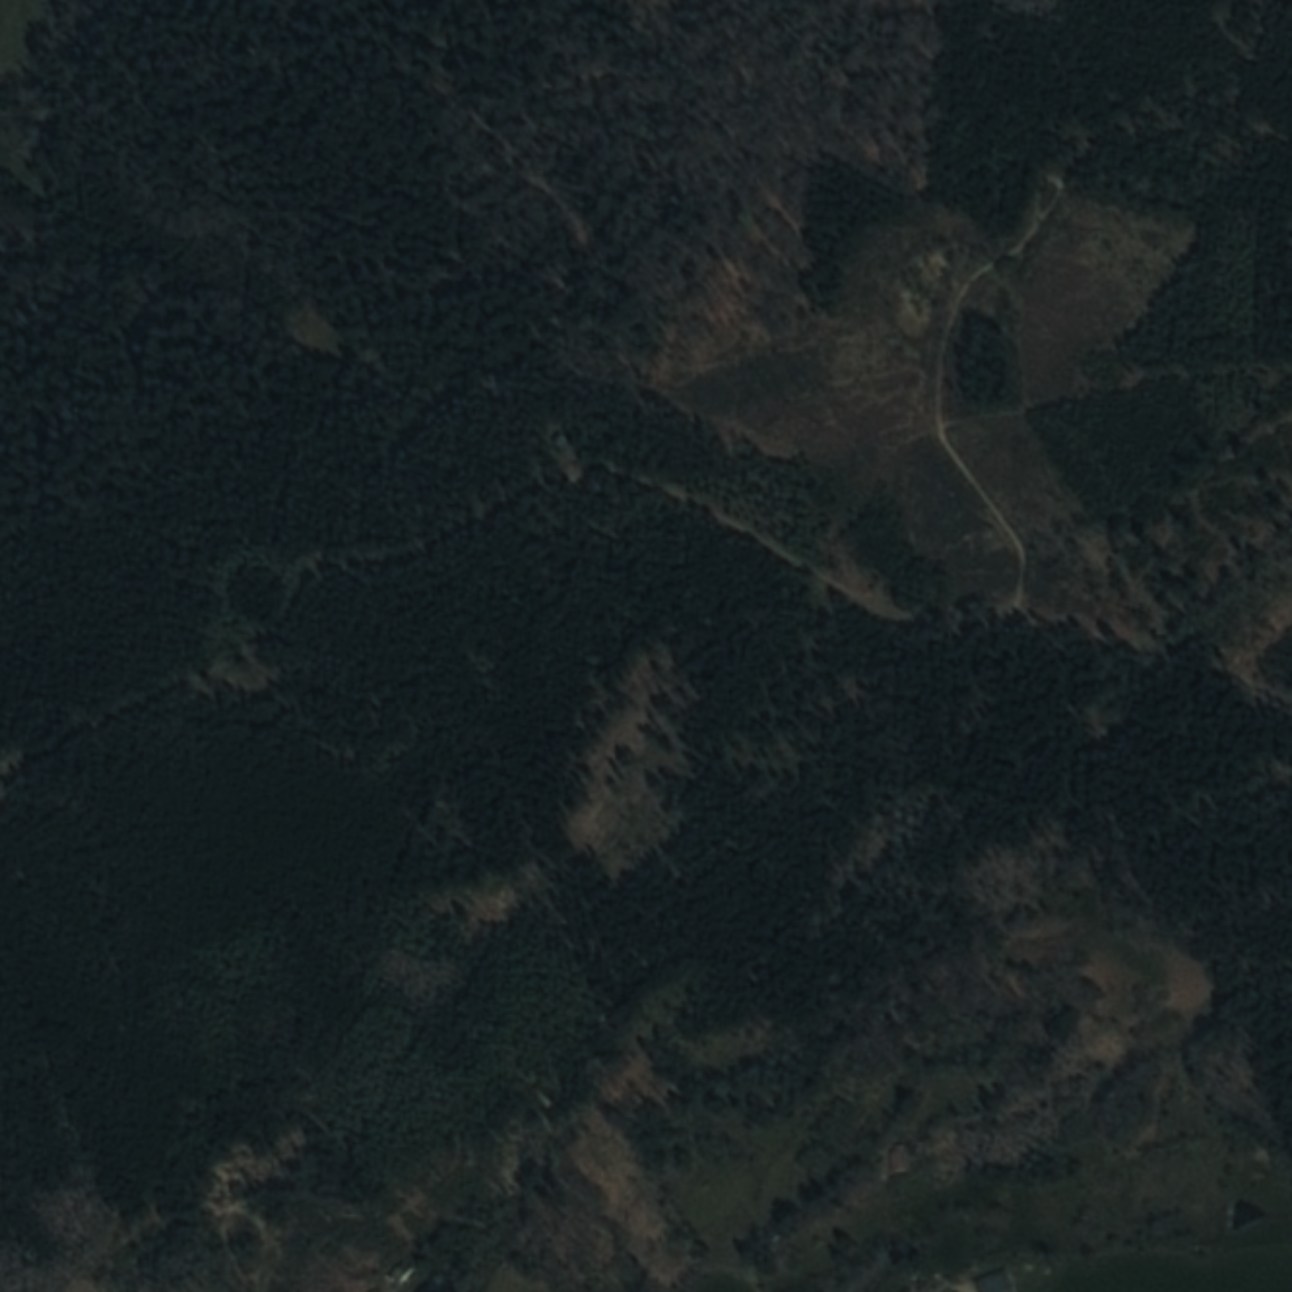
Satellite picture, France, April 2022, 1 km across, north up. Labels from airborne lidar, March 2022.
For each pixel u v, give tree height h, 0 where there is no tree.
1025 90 13
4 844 14
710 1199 0
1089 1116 17
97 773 24
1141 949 11
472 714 21
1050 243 0
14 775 0
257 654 22
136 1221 16
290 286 26
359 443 20
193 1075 19
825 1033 24
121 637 21
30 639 22
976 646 25
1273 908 28
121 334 36
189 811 17
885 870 14
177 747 9
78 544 20
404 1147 19
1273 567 14
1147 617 10
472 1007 21
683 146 24
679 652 23
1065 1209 0
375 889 23
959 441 0
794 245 29
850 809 23
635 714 20
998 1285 0
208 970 17
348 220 27
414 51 34
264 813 20
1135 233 0
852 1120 15
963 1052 12
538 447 25
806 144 30
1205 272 13
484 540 20
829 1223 22
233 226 29
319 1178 19
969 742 25
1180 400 7
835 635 24
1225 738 23
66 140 22
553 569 21
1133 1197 0
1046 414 10
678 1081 25
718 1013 23
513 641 20
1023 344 0
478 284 14
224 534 24
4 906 19
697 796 19
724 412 0
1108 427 10
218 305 27
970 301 0
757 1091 18
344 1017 17
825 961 25
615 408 27
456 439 27
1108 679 21
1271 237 9
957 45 14
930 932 27
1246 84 14
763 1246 18
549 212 29
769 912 25
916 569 11
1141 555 8
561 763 23
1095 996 26
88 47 7
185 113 29
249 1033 14
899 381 0
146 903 16
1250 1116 24
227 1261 20
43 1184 16
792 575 15
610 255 23
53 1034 22
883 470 0
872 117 23
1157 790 24
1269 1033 26
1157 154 13
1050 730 19
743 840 17
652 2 0
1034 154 15
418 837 18
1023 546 0
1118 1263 0
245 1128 23
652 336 24
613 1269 0
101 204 17
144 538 24
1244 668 0
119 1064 15
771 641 17
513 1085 13
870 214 15
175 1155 16
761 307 26
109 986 13
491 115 29
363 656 19
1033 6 10
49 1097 18
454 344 27
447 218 29
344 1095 17
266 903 20
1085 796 22
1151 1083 31
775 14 29
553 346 27
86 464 32
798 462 6
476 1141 24
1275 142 10
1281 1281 0
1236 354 15
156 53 31
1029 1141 20
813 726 21
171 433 29
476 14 35
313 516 20
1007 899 32
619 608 14
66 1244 18
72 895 15
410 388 9
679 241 28
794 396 0
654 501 17
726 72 24
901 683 16
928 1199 0
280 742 18
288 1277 0
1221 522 6
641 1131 25
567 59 32
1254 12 13
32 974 13
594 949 20
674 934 22
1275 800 19
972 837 19
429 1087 18
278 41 33
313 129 8
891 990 25
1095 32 7
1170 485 9
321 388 23
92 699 20
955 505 0
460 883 28
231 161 33
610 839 0
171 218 27
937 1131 14
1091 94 11
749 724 22
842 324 0
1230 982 26
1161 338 17
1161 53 7
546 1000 18
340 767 20
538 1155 19
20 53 0
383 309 29
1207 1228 0
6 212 11
